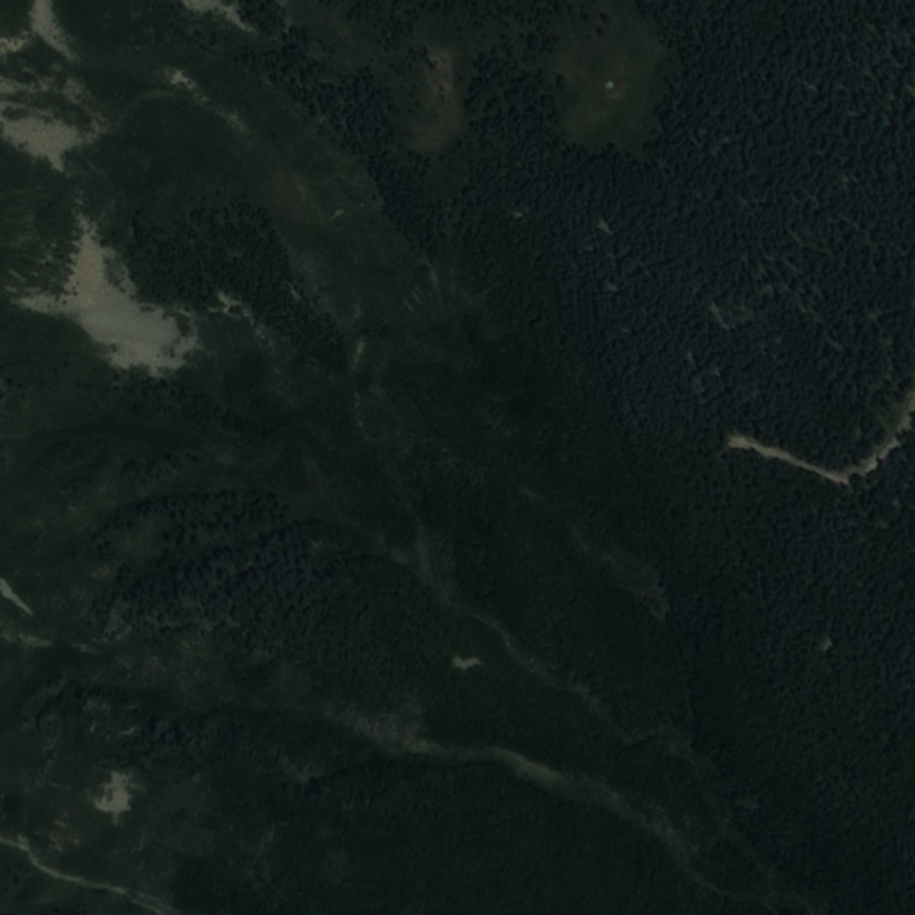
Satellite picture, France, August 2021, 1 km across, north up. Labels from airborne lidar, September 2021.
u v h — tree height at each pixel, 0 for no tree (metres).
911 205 19
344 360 9
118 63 0
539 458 9
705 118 20
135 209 0
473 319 8
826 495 14
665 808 8
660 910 12
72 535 0
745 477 10
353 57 0
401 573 16
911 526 11
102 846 0
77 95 0
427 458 9
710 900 17
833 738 21
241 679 8
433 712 9
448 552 7
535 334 14
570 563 10
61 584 0
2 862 0
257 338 0
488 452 9
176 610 18
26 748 0
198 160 0
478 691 11
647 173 18
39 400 0
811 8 26
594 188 13
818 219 19
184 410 7
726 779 11
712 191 19
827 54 26
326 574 8
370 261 0
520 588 9
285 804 10
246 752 10
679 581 12
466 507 14
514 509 12
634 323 24
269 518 13
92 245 0
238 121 0
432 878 9
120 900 0
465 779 11
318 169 0
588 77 0
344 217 0
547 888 11
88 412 0
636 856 16
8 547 0
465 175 0
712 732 14
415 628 28
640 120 0
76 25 0
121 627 7
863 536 22
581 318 14
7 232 0
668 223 17
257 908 9
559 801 7
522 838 8
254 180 0
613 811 7
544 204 17
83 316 0
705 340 22
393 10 8
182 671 0
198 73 0
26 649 0
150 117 0
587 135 0
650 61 0
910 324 26
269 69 7
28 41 0
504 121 15
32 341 0
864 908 14
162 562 11
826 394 12
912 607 12
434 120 0
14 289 0
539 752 12
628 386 24
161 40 0
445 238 19
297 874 7
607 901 9
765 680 11
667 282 24
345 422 8
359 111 12
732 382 27
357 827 6
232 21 0
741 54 19
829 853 14
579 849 15
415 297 0
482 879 8
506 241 10
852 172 26
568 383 13
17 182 0
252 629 7
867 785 21
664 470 16
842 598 23
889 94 24
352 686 10
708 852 7
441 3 8
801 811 14
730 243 28
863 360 19
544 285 11
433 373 7
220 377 0
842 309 30
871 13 16
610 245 21
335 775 8
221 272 14
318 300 6
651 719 14
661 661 12
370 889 9
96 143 0
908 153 24
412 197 12
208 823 5
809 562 24
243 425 11
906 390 23
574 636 9
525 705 10
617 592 10
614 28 0
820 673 15
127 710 6
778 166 21
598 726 7
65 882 0
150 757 9
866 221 25
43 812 0
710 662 12
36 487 0
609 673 13
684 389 28
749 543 17
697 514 17
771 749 12
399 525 7
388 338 6
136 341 0
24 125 0
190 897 8
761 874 11
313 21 0
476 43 0
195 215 10
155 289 6
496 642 7
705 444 19
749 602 16
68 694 11
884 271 29
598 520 10
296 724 9
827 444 12
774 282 19
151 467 7
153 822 0
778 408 22
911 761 23
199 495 7
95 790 0
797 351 15
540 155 12
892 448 0
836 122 23
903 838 19
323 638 12
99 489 0
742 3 20
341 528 10
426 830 7
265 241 7
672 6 17
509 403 7
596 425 12
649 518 15
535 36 9
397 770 13
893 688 22
